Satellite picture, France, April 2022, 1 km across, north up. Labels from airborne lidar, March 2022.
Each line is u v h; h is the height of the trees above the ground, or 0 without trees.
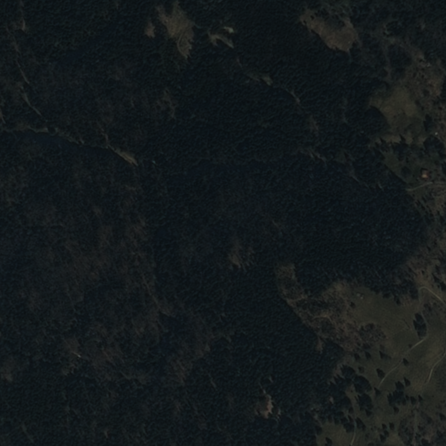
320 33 0
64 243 13
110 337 17
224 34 8
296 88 21
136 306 21
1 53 24
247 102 32
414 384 0
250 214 21
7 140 23
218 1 27
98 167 22
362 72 21
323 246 16
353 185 22
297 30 22
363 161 27
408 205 22
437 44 24
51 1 30
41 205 24
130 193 28
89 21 25
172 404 29
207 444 25
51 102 20
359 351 8
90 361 11
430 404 0
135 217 28
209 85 17
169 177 22
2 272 23
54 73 20
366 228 25
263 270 24
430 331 0
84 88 23
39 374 21
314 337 21
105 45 27
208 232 19
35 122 25
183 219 21
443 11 24
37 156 12
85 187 21
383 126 25
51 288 23
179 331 19
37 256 20
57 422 28
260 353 29
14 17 20
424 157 25
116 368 17
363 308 0
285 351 21
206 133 23
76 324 18
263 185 23
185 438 14
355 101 28
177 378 22
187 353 18
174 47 7
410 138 0
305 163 20
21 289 22
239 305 27
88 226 22
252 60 26
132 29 34
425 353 0
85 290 23
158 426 24
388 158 0
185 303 21
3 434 20
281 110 17
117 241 15
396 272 21
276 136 29
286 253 16
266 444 25
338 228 22
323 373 28
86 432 15
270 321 30
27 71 23
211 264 18
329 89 21
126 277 21
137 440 22
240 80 32
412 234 21
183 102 16
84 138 19
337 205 24
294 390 24
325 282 9
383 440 20
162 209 27
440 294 0
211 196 23
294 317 28
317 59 22
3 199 22
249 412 21
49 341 18
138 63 22
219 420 19
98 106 29
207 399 26
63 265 17
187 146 20
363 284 15
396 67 16
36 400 21
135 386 25
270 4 23
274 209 20
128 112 22
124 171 26
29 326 19
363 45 19
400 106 0
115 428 18
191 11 30
